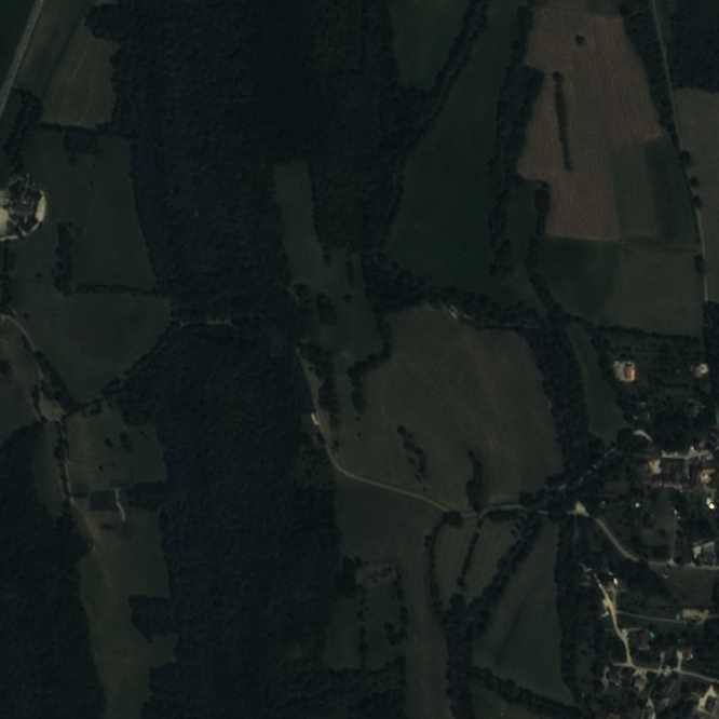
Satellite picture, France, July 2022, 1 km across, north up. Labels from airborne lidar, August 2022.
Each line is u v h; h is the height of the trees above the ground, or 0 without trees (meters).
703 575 0
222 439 8
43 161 0
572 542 14
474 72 0
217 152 15
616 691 0
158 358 20
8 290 10
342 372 0
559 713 20
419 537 0
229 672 13
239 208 11
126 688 0
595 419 0
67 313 0
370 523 0
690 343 14
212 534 15
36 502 18
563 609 19
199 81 14
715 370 20
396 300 16
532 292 0
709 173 0
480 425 0
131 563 0
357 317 0
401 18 0
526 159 0
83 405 10
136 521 0
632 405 15
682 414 11
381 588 0
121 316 0
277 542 23
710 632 12
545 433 0
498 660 0
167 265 17
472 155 0
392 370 0
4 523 15
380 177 20
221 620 8
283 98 16
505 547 0
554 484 17
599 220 0
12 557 15
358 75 19
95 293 10
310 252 0
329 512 17
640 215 0
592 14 0
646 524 6
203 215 13
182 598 21
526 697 14
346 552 0
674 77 10
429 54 0
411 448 6
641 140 0
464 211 0
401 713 17
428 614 0
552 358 21
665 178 0
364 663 6
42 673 18
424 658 0
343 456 0
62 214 0
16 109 0
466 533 0
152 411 20
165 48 13
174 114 11
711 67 12
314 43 14
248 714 13
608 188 0
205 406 12
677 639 12
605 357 13
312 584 23
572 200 0
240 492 7
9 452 18
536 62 0
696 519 8
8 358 0
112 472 0
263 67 11
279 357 18
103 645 0
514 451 0
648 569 17
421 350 0
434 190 0
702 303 0
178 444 22
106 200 0
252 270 15
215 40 16
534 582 0
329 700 23
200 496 16
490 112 0
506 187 7
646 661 11
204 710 20
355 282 8
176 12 7
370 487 0
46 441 0
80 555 10
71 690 15
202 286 7
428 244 0
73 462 0
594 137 0
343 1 10
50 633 20
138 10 15
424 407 0
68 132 15
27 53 0
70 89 0
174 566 17
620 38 0
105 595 0
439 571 0
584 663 0
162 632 16
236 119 12
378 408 0
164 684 16
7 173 0
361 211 8
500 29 0
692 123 0
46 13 0
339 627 0
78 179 0
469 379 0
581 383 10
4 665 12
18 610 8
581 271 0
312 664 9
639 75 0
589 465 7
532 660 0
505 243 12
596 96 0
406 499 0
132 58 18
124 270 0
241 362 19
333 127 17
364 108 20
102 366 0
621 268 0
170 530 23
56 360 0
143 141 25
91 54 0
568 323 9
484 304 19
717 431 7
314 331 0
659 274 0
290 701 20
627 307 0
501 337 0
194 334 13
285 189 0
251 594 13
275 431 16
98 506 0
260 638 16
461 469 0
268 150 10
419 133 21
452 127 0
